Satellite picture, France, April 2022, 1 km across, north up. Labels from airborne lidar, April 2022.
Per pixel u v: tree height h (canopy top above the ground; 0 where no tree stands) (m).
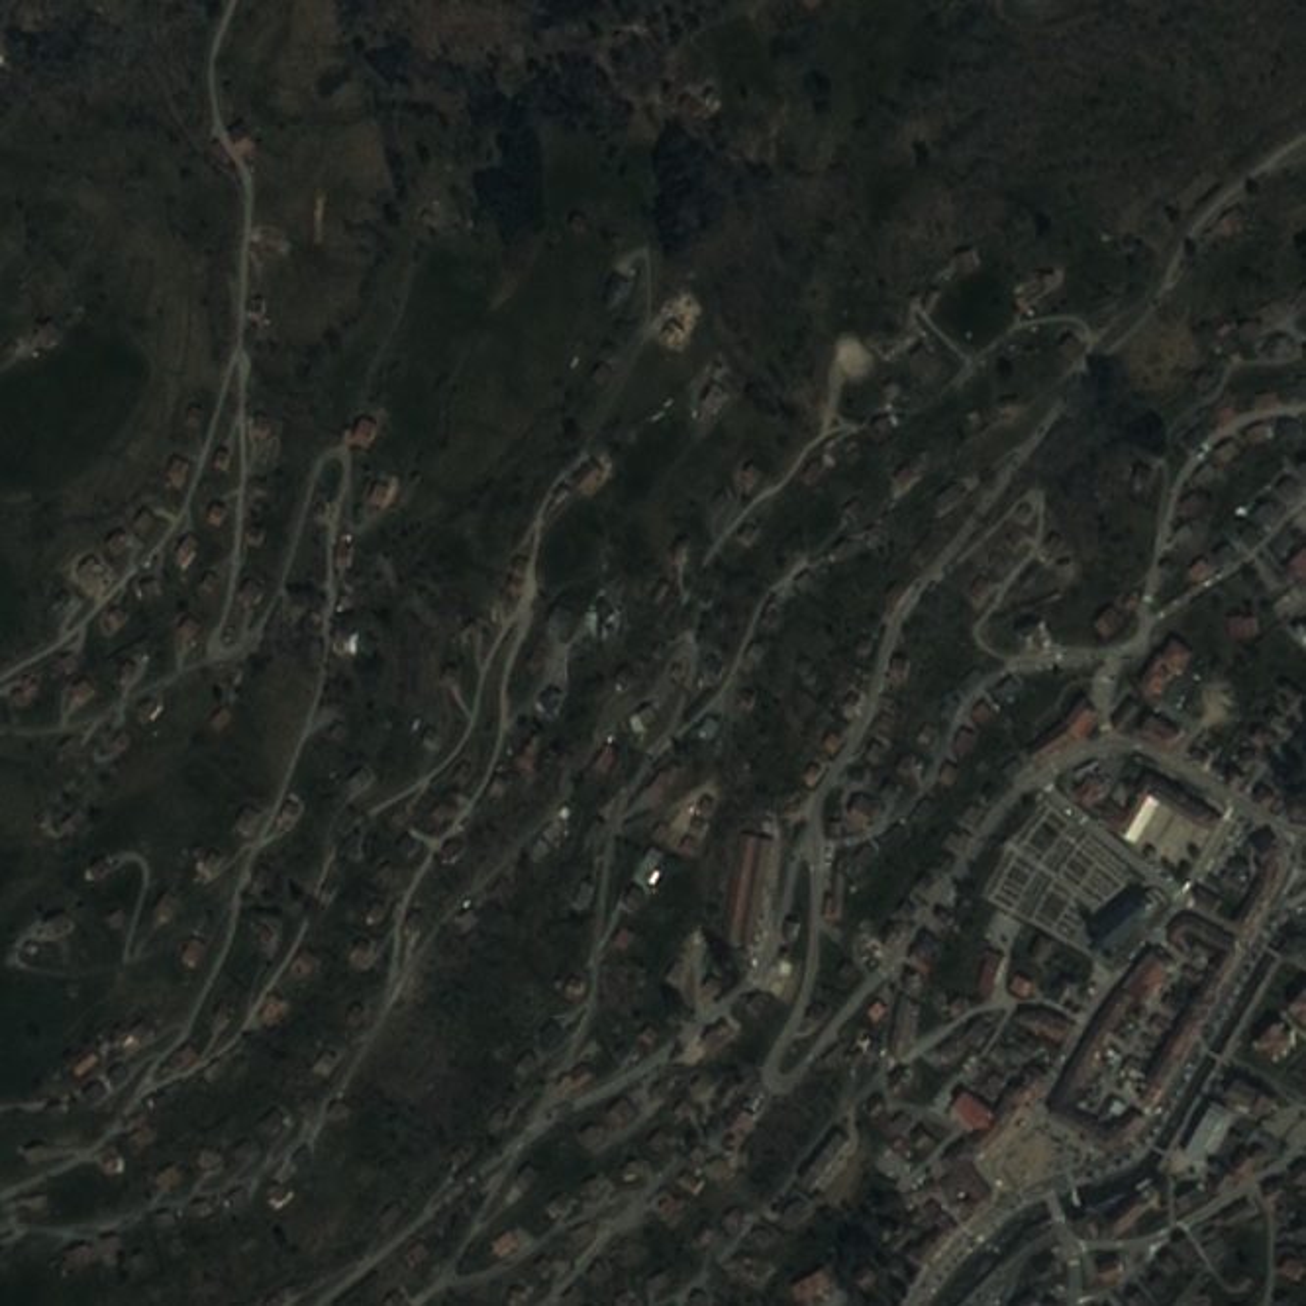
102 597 0
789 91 0
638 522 0
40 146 0
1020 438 0
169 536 0
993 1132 0
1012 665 0
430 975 6
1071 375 0
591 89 22
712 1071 14
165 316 8
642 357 0
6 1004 0
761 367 0
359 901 6
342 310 0
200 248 0
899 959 0
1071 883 0
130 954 0
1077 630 0
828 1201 11
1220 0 6
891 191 0
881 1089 0
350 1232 0
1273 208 0
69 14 8
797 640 0
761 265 16
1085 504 14
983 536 9
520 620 0
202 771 0
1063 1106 0
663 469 0
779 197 16
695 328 0
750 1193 0
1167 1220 0
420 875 0
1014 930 0
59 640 0
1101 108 15
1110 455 17
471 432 0
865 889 0
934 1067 0
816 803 0
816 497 0
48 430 0
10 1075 0
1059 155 0
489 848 12
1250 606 9
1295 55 11
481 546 0
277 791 0
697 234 23
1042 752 0
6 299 0
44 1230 0
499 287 0
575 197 0
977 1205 0
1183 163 9
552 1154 0
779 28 5
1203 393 6
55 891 0
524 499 9
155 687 0
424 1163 7
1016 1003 0
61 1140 0
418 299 0
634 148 0
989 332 0
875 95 0
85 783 11
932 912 0
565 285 0
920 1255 0
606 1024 0
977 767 0
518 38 13
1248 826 0
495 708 0
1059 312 7
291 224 0
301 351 0
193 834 0
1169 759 0
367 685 18
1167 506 0
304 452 0
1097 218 18
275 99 0
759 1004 0
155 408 0
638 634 0
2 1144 0
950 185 19
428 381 0
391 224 7
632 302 0
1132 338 0
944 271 0
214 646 0
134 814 0
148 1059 0
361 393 0
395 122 11
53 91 8
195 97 6
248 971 0
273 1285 8
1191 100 8
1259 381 0
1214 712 0
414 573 8
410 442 0
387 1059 0
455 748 0
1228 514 0
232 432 0
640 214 0
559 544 0
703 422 0
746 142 21
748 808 9
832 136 0
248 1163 0
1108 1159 0
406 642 7
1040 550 0
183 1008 0
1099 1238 0
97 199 0
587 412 0
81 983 0
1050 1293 0
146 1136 0
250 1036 7
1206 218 0
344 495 0
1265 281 7
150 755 0
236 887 0
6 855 0
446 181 0
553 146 0
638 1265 0
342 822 0
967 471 0
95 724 0
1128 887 0
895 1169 0
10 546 0
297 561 0
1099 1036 0
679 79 0
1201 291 0
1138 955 0
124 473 0
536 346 0
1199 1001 0
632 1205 0
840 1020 0
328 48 0
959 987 0
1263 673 0
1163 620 0
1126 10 12
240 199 7
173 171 0
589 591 0
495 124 17
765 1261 0
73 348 0
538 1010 0
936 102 8
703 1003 0
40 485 0
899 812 0
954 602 19
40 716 0
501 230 11
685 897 0
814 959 0
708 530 0
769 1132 8
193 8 9
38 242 12
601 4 22
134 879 0
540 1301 0
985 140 9
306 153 0
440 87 21
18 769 0
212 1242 7
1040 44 6
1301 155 0
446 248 0
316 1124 0
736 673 0
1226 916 0
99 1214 0
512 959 7
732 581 19
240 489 0
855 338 0
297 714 0
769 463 0
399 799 0
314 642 7
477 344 0
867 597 0
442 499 0
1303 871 0
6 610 0
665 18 12
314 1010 7
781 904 0
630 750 14
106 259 0
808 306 22
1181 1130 0
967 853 0
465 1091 7
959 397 0
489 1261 0
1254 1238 0
